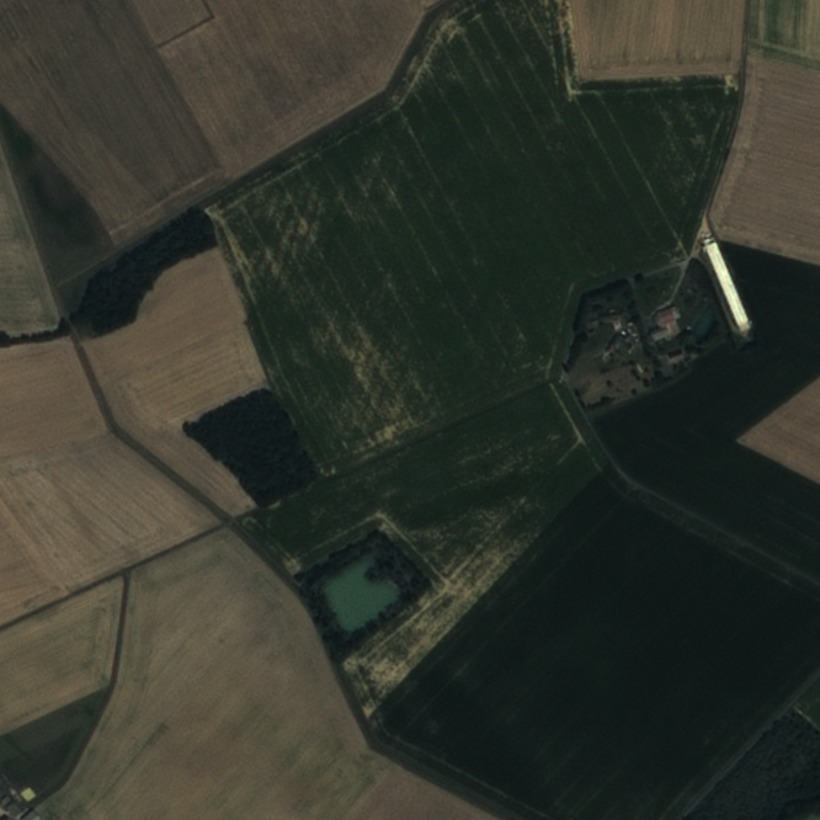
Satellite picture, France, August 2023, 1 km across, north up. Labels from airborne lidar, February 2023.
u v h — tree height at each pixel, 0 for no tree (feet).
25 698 0
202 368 0
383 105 0
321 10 0
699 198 0
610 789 0
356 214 0
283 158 0
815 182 0
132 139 0
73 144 0
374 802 0
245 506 0
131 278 51
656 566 0
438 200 0
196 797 0
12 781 0
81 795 0
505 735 0
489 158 0
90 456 0
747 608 0
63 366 0
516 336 0
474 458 0
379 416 0
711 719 0
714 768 0
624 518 0
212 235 48
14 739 0
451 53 0
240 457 60
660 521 0
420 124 0
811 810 43
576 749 0
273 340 0
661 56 0
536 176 0
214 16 0
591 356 0
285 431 53
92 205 0
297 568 0
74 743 0
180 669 0
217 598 0
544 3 0
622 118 0
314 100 0
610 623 0
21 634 0
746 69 0
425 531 0
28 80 0
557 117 0
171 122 0
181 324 0
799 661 0
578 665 0
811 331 0
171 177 0
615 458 0
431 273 0
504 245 0
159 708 0
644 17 0
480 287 0
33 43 0
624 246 0
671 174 0
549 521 0
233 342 0
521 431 0
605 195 0
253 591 0
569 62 0
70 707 0
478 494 0
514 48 0
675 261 0
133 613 0
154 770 0
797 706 0
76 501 0
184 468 0
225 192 0
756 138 0
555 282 0
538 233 0
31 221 0
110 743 0
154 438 0
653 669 0
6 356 0
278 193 0
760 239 0
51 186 0
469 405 0
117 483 0
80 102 0
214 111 0
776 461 0
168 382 0
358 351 0
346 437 0
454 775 0
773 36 0
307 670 0
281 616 0
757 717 0
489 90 0
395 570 54
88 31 0
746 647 0
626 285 44
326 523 0
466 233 0
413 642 0
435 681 0
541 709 0
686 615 0
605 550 0
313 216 0
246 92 0
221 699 0
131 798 0
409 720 0
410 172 0
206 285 0
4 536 0
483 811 0
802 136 0
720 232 0
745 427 0
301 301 0
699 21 0
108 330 28
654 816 0
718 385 0
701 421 0
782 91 0
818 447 0
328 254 0
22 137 0
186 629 0
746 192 0
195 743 0
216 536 0
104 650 0
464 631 0
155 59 0
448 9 0
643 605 0
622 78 0
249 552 0
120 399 0
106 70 0
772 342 0
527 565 0
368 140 0
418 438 0
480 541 0
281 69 0
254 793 0
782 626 0
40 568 0
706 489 0
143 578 0
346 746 0
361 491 0
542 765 0
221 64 0
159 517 0
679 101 0
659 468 0
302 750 0
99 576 0
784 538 0
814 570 0
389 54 0
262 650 0
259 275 0
